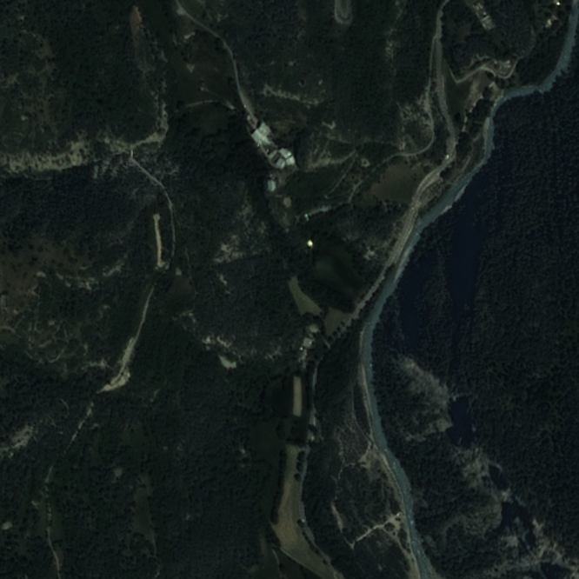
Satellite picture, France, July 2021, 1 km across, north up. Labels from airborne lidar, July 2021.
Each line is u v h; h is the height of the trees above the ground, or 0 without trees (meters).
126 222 6
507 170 13
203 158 20
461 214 16
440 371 13
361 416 9
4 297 0
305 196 12
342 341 11
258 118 8
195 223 6
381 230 9
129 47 14
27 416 10
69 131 10
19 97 6
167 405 16
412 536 0
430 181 0
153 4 0
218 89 0
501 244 15
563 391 24
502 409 10
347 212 7
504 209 9
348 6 0
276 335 11
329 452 7
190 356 9
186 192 9
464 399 0
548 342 14
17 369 22
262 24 6
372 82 12
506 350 12
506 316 13
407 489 0
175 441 13
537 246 18
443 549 7
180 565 11
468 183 0
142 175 7
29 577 6
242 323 8
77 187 9
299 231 6
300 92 0
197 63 0
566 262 13
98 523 9
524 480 8
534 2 11
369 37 6
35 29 11
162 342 8
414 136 8
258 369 9
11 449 6
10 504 21
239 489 16
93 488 9
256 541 10
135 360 8
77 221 6
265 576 0
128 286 8
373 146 9
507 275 9
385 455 0
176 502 21
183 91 0
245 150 18
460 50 9
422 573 0
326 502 14
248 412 13
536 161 8
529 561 0
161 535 7
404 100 10
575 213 19
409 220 0
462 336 15
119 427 9
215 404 12
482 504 6
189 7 0
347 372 8
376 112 7
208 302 11
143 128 8
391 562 6
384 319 8
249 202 7
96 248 9
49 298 7
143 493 0
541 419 18
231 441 9
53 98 7
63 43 10
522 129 12
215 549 15
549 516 7
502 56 13
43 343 0
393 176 0
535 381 10
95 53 7
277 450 0
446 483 12
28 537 6
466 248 13
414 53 12
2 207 7
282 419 12
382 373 15
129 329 9
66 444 13
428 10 10
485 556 8
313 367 13
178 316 6
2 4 12
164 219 10
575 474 15
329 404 6
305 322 8
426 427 7
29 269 0
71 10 17
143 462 9
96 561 16
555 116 20
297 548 0
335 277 0
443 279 7
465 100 0
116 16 7
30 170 7
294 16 11
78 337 0
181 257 6
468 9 7
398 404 11
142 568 10
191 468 12
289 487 0
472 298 14
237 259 8
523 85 8
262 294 8
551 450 9
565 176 21
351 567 8
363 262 8
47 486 10
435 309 10
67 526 8
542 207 16
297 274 7
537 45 13
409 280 18
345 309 11
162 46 14
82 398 12
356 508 9
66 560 9
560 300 10
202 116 0
